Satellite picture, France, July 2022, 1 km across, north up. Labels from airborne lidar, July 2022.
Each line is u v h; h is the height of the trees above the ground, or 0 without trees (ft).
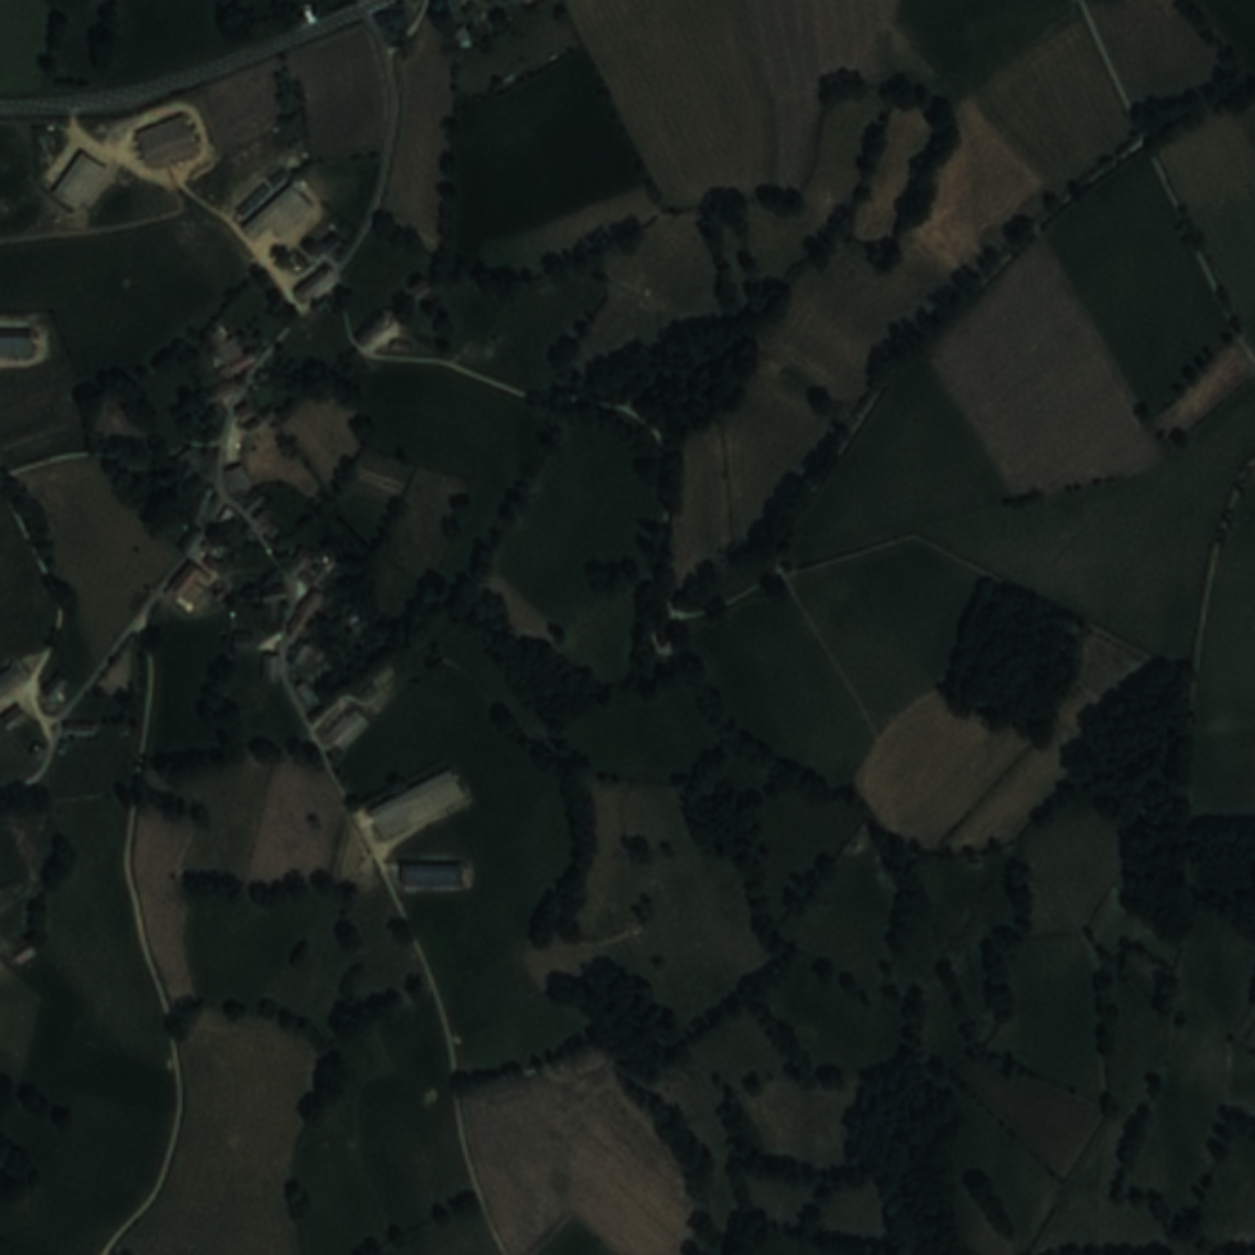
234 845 0
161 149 0
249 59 0
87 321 0
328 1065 62
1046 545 0
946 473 0
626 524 0
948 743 0
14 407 0
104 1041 0
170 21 0
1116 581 0
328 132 0
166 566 0
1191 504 0
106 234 0
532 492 44
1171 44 0
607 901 0
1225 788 0
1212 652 0
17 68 0
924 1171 74
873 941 0
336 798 0
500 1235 0
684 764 0
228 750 59
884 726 0
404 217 0
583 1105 0
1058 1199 0
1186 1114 0
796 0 0
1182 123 47
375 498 0
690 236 0
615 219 0
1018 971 0
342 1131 0
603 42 0
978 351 0
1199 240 42
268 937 0
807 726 0
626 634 0
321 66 0
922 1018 56
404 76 0
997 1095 0
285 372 22
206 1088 0
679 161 0
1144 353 0
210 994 0
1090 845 0
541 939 66
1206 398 0
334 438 0
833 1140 0
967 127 0
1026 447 0
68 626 0
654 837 0
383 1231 0
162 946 0
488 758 0
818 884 60
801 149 0
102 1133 0
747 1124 57
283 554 32
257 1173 0
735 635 0
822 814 0
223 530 20
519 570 0
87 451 34
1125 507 0
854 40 0
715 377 61
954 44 0
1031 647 68
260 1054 0
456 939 0
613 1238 0
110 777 0
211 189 0
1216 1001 0
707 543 0
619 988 98
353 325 0
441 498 0
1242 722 0
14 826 0
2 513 0
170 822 26
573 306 0
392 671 0
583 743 0
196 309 0
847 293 0
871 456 0
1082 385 0
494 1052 0
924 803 0
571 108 0
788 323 0
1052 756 0
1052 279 0
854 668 0
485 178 0
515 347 0
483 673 0
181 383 0
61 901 0
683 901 0
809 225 0
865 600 0
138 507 31
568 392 33
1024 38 0
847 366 0
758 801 64
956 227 0
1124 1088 0
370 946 0
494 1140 0
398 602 0
